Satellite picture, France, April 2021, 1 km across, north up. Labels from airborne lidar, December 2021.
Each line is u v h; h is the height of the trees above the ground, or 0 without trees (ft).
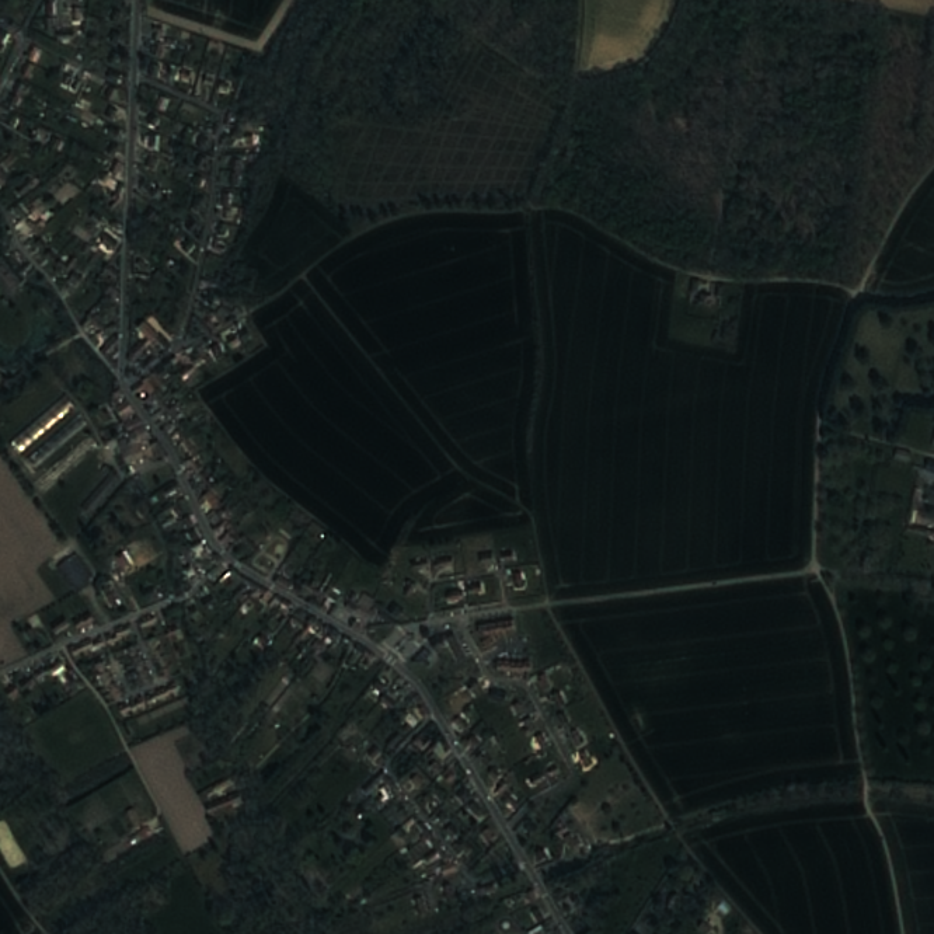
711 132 60
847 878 0
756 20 59
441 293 0
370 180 0
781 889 0
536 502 0
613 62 0
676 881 57
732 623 0
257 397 0
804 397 0
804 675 0
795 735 0
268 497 41
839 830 0
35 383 45
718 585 0
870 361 27
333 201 48
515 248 0
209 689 65
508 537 0
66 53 0
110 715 0
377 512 0
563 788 0
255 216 39
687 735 0
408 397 0
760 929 0
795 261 60
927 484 0
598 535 0
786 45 47
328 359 0
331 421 0
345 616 0
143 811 0
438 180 0
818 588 0
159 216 22
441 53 70
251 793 51
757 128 57
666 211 58
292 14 24
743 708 0
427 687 0
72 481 0
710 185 57
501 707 0
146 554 0
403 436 0
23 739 82
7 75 0
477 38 54
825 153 65
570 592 0
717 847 0
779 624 0
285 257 0
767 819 0
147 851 32
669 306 0
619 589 0
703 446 0
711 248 60
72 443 0
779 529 0
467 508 0
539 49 64
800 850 0
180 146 38
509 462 0
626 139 52
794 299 0
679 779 0
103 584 27
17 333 0
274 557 0
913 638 34
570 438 0
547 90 54
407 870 52
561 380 0
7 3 67
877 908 0
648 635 0
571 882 61
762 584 0
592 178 52
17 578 0
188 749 0
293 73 30
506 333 0
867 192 81
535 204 37
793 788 50
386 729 21
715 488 0
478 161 0
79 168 47
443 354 0
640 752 0
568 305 0
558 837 32
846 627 0
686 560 0
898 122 53
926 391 52
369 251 0
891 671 31
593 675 0
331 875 0
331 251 0
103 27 0
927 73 74
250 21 0
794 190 36
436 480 0
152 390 0
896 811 0
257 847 73
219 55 29
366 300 0
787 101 53
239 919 56
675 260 41
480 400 0
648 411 0
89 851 72
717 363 0
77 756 0
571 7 68
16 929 0
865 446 33
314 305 0
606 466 0
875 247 63
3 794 88
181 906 0
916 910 0
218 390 0
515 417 0
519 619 0
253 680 74
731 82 29
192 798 0
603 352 0
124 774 22
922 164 70
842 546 52
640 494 0
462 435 0
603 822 0
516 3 69
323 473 0
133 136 0
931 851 0
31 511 0
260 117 55
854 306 36
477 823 39
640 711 0
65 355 0
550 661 0
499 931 0
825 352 0
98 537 58
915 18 0
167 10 0
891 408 31
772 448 0
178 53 21
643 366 0
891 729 0
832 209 58
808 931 0
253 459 0
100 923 87
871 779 22
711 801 0
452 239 0
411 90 66
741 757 0
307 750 28
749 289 0
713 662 0
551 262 0
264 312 0
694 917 51
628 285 0
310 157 43
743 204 57
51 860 67
